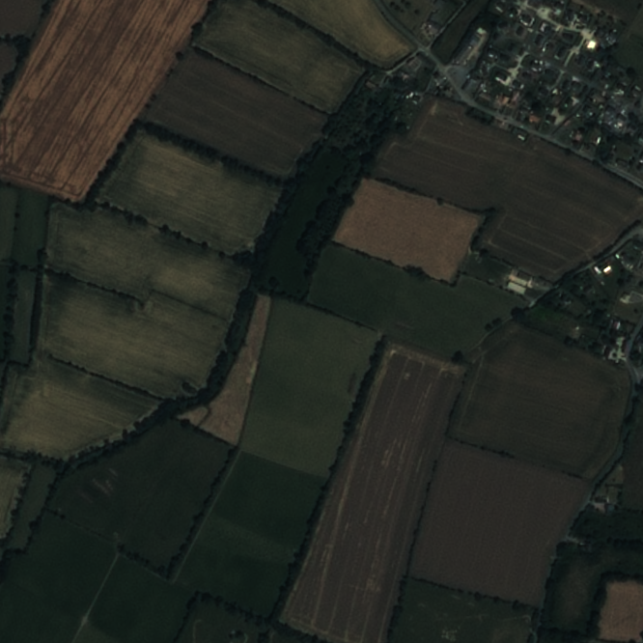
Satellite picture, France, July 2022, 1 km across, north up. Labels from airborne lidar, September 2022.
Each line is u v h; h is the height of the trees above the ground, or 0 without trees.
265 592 0
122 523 0
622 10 0
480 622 0
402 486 0
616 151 8
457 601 0
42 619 0
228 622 0
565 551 15
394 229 0
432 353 0
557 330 0
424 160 0
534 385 0
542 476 0
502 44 0
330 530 0
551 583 16
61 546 0
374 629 0
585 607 0
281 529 0
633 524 0
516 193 0
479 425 0
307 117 0
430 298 0
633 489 0
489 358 0
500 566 0
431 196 8
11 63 0
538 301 6
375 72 6
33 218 0
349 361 0
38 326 11
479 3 0
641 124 11
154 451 0
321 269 0
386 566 0
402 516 0
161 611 0
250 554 0
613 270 0
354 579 0
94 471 0
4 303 0
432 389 0
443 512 0
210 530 0
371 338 0
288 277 0
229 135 0
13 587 0
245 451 0
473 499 0
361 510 0
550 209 0
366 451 0
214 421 0
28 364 6
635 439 0
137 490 0
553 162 0
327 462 0
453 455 0
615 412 0
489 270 0
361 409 12
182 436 0
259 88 0
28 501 0
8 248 0
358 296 0
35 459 17
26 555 8
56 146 0
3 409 10
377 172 0
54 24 0
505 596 0
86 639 0
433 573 0
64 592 0
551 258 0
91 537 0
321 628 0
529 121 10
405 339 0
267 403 0
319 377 0
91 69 0
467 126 0
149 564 11
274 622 11
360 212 0
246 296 16
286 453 0
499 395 0
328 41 13
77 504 0
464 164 0
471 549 0
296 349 0
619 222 0
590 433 0
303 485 0
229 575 0
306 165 17
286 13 11
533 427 0
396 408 0
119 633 0
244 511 0
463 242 0
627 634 0
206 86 0
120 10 0
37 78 0
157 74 0
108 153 0
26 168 0
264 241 17
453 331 0
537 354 0
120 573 0
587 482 0
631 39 0
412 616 0
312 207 0
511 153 0
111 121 0
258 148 0
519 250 0
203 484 0
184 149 12
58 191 0
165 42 0
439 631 0
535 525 0
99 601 0
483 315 0
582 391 0
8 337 13
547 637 13
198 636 0
